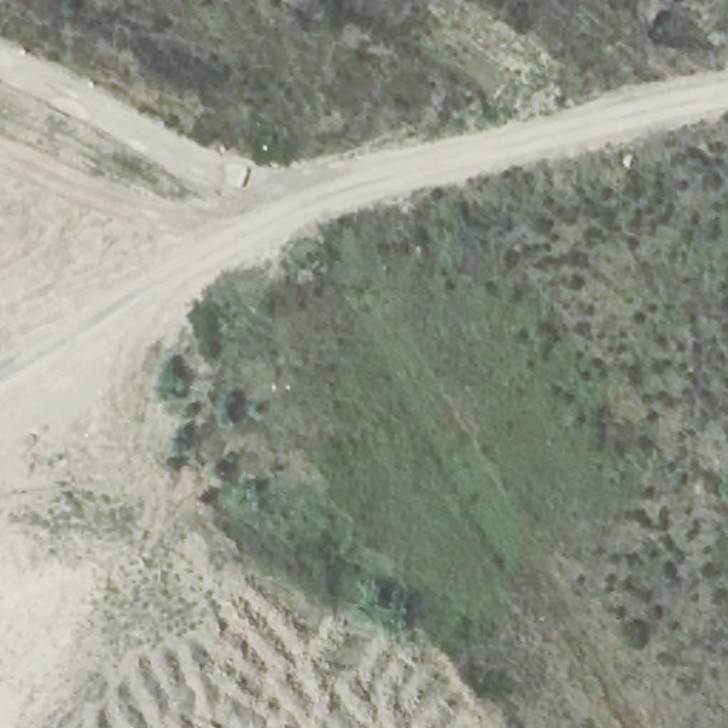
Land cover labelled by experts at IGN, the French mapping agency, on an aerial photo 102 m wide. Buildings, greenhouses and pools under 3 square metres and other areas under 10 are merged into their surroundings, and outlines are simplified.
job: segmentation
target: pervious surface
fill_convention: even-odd
[[[168,646],[168,651],[162,646],[145,646],[128,648],[122,660],[114,660],[114,651],[102,640],[105,617],[91,609],[91,600],[100,600],[105,594],[105,586],[117,586],[125,600],[131,597],[139,580],[139,569],[145,566],[139,552],[125,546],[119,535],[51,535],[48,529],[31,523],[9,523],[9,515],[26,512],[26,506],[40,515],[48,512],[48,501],[57,495],[57,481],[68,481],[71,489],[85,489],[94,495],[142,498],[145,509],[137,520],[145,529],[151,529],[145,549],[151,552],[159,543],[159,532],[165,529],[165,489],[171,481],[171,469],[168,458],[173,435],[182,427],[182,418],[171,415],[165,410],[165,401],[159,398],[162,370],[168,367],[173,378],[191,384],[193,401],[202,401],[208,395],[213,375],[208,361],[191,324],[191,310],[196,301],[202,301],[202,296],[205,287],[210,287],[228,270],[262,267],[276,282],[282,276],[282,247],[287,242],[293,242],[296,236],[321,239],[321,225],[344,213],[355,213],[375,205],[412,210],[429,188],[464,185],[472,176],[501,173],[515,165],[526,168],[540,159],[569,159],[600,151],[603,145],[628,145],[634,139],[648,137],[651,131],[674,131],[700,119],[719,119],[728,111],[728,68],[702,71],[694,77],[674,77],[663,82],[623,85],[617,91],[569,108],[557,105],[560,88],[549,85],[532,97],[532,102],[515,100],[515,119],[492,125],[478,134],[458,134],[424,142],[410,139],[407,128],[398,128],[375,134],[367,145],[355,151],[296,159],[290,165],[259,165],[250,156],[239,156],[222,145],[205,148],[188,137],[179,137],[159,119],[134,111],[114,94],[97,88],[91,80],[77,77],[48,60],[31,57],[14,43],[0,40],[0,728],[506,728],[501,708],[472,694],[472,688],[461,680],[455,663],[438,646],[427,648],[427,663],[421,665],[418,660],[412,660],[412,654],[418,654],[418,646],[398,646],[395,651],[390,651],[387,634],[381,626],[364,620],[358,611],[338,609],[321,620],[319,631],[310,640],[299,640],[299,634],[284,623],[284,617],[242,580],[242,569],[236,563],[225,572],[213,572],[213,566],[208,563],[205,537],[193,532],[185,543],[179,543],[171,552],[171,563],[182,583],[182,597],[193,603],[210,589],[216,603],[222,606],[222,620],[216,623],[210,614],[208,620],[202,620],[196,631],[176,637]]]

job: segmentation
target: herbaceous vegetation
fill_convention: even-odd
[[[145,646],[162,646],[168,651],[168,646],[176,637],[196,631],[202,620],[208,620],[210,614],[216,623],[222,620],[222,606],[216,603],[210,589],[193,603],[182,597],[182,583],[171,563],[171,552],[179,543],[185,543],[193,532],[205,537],[208,563],[213,566],[213,572],[225,572],[236,563],[242,569],[242,580],[284,617],[284,623],[299,634],[299,640],[310,640],[319,631],[321,620],[338,609],[341,580],[361,574],[358,552],[384,552],[387,557],[392,557],[392,572],[387,577],[395,580],[401,589],[421,592],[424,603],[418,609],[415,628],[407,628],[404,634],[387,634],[390,651],[395,651],[398,646],[418,646],[418,654],[412,654],[412,660],[418,660],[421,665],[427,663],[427,648],[438,646],[455,663],[461,680],[472,688],[472,694],[501,708],[506,728],[728,728],[728,111],[719,119],[700,119],[674,131],[651,131],[648,137],[634,139],[628,145],[603,145],[600,151],[569,159],[540,159],[526,168],[515,165],[501,173],[472,176],[464,185],[429,188],[412,210],[375,205],[355,213],[344,213],[321,225],[321,239],[296,236],[293,242],[287,242],[282,247],[282,276],[276,282],[262,267],[228,270],[210,287],[205,287],[202,296],[210,304],[228,301],[230,313],[236,313],[236,321],[219,324],[222,353],[213,361],[208,361],[213,375],[208,395],[213,404],[228,404],[230,421],[219,427],[208,441],[202,441],[202,446],[191,446],[185,469],[171,469],[171,481],[165,489],[165,529],[159,532],[159,543],[151,552],[145,549],[151,529],[145,529],[137,520],[145,509],[142,498],[94,495],[85,489],[71,489],[68,481],[57,481],[57,495],[48,501],[48,512],[40,515],[26,506],[26,512],[9,515],[9,523],[31,523],[48,529],[51,535],[119,535],[125,546],[139,552],[145,566],[139,569],[139,580],[131,597],[125,600],[117,586],[105,586],[105,594],[100,600],[91,600],[91,609],[105,617],[102,640],[114,651],[114,660],[122,660],[128,648]],[[560,341],[552,350],[549,361],[543,361],[540,355],[540,321],[555,321],[560,330]],[[646,620],[646,626],[651,628],[648,646],[631,648],[620,637],[620,620],[606,611],[609,606],[623,606],[634,620]]]
[[[290,165],[296,159],[355,151],[367,145],[375,134],[398,128],[407,128],[410,139],[424,142],[458,134],[478,134],[492,125],[515,119],[515,100],[532,102],[532,97],[549,85],[560,88],[557,105],[569,108],[617,91],[623,85],[663,82],[674,77],[694,77],[702,71],[728,68],[728,0],[0,0],[0,40],[14,43],[31,57],[48,60],[77,77],[91,80],[97,88],[114,94],[134,111],[159,119],[179,137],[188,137],[205,148],[222,145],[239,156],[250,156],[259,165]]]

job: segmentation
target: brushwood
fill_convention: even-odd
[[[404,634],[407,628],[415,628],[418,609],[424,603],[421,592],[401,589],[395,580],[387,577],[392,572],[392,557],[387,557],[384,552],[358,552],[361,574],[341,580],[338,609],[358,611],[364,620],[381,626],[387,634]]]
[[[549,361],[552,350],[560,341],[560,330],[555,321],[540,321],[540,355],[543,361]]]
[[[213,361],[222,353],[219,324],[236,321],[236,313],[230,313],[228,301],[210,304],[202,296],[202,301],[196,301],[191,310],[191,324],[208,361]]]
[[[606,611],[620,620],[620,637],[631,648],[648,646],[651,628],[646,626],[646,620],[634,620],[623,606],[609,606]]]
[[[202,446],[202,441],[208,441],[219,427],[230,421],[228,404],[213,404],[208,395],[202,401],[193,401],[191,384],[173,378],[168,367],[162,370],[159,398],[165,401],[165,410],[171,415],[182,418],[182,427],[173,435],[168,458],[171,469],[185,469],[191,446]]]

